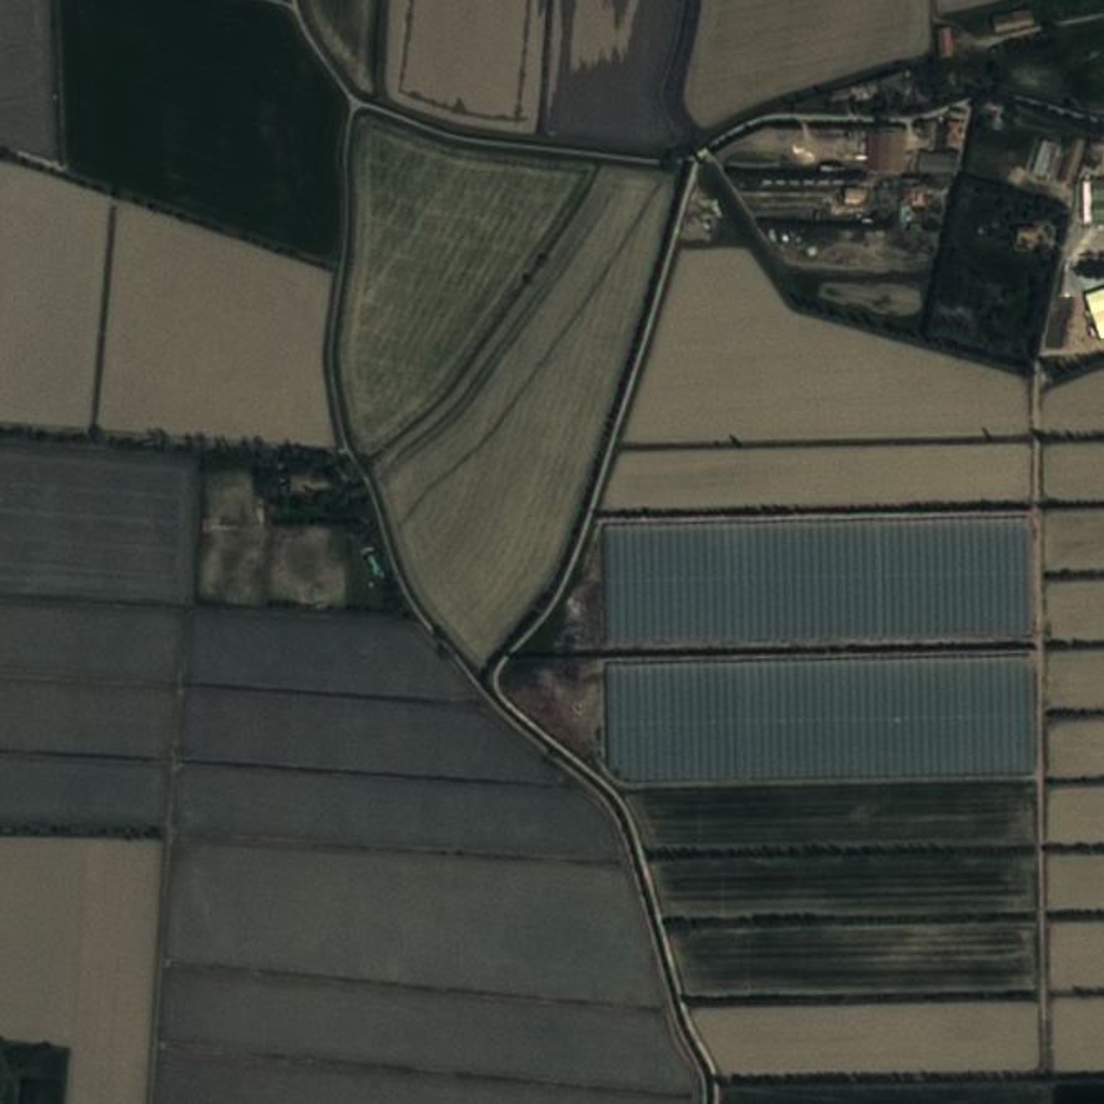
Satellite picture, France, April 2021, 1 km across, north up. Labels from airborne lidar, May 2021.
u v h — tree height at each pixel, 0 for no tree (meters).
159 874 0
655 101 0
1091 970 0
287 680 0
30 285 0
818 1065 0
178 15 0
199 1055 0
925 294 0
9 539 0
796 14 0
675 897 0
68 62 0
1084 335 0
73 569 0
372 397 0
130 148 0
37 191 0
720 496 0
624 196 0
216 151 0
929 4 0
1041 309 8
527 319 0
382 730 0
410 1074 0
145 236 0
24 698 0
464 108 0
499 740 0
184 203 0
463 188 0
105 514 0
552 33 0
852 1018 0
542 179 0
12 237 0
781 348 0
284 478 7
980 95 8
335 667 0
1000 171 0
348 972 0
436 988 0
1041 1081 14
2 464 0
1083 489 0
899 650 9
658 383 0
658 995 0
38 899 0
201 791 0
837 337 0
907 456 0
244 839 0
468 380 0
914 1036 0
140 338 0
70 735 0
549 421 0
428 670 0
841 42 0
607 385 0
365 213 0
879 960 0
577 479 0
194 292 0
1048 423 0
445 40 0
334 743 0
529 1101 0
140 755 0
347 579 0
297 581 0
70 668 0
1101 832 0
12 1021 0
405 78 0
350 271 0
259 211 0
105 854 0
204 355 0
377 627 0
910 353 0
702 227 0
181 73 0
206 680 0
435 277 0
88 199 0
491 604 0
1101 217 0
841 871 0
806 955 0
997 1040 0
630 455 0
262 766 0
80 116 0
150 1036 0
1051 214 9
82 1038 0
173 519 0
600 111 0
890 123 8
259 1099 0
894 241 0
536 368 0
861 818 0
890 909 0
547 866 0
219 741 0
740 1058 0
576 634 0
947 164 0
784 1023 0
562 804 0
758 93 0
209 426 0
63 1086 0
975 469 0
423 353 0
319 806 0
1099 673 0
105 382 0
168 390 0
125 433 0
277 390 0
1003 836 0
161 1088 0
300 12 0
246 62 0
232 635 0
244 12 0
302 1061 0
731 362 0
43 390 0
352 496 15
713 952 0
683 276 0
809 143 0
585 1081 0
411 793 0
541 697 0
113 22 0
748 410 0
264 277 0
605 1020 0
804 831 0
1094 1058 0
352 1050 0
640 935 0
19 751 0
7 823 0
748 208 0
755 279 0
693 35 0
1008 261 0
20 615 0
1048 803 0
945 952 0
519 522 0
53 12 0
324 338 0
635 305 0
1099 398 0
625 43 0
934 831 0
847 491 0
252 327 0
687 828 0
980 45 0
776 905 0
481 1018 0
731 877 0
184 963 0
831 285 0
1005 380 0
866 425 0
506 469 0
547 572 0
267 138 0
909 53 0
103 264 0
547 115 0
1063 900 0
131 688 0
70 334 0
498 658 8
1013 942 0
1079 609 0
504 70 0
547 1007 0
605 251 0
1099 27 0
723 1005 8
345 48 0
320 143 0
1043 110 8
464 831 0
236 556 0
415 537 0
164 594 0
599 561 0
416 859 0
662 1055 0
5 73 0
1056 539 0
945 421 0
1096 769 0
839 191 0
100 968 0
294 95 0
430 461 0
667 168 11
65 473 0
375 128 0
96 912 0
